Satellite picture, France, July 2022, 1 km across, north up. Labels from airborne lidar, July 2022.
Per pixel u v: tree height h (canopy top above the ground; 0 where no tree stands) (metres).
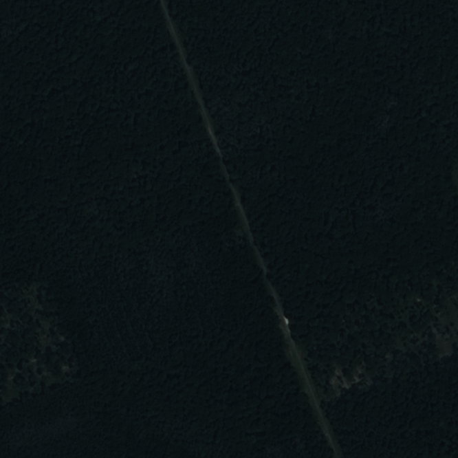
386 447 23
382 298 25
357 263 24
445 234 27
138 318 16
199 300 22
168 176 20
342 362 23
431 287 25
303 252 28
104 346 22
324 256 28
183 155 20
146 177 18
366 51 23
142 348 18
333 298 27
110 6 23
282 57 23
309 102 24
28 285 21
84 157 28
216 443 21
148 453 23
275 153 23
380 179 25
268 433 19
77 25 24
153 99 26
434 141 31
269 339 33
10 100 23
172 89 24
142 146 25
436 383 26
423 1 22
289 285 27
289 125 20
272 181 18
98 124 22
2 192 23
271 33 21
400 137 26
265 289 21
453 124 22
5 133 17
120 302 16
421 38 29
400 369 22
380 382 20
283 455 19
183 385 25
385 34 23
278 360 27
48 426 18
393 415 22
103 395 23
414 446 28
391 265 19
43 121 23
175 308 22
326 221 27
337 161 25
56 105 25
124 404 23
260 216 23
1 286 17
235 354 27
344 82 22
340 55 21
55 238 14
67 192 19
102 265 18
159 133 22
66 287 14
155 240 23
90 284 15
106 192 23
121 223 24
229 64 25
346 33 24
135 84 26
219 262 20
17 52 26
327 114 20
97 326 20
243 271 23
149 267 17
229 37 20
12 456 17
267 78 27
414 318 21
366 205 25
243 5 19
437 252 27
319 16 22
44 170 23
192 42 20
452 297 25
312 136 28
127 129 22
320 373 22
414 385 23
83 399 17
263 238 23
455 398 22
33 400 16
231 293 24
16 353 29
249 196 22
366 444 21
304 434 20
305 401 21
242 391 21
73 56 24
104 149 23
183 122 21
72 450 18
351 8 25
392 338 25
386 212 30
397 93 22
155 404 21
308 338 26
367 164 25
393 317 21
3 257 20
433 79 24
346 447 20
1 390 27
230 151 24
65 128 27
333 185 24
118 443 21
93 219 24
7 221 14
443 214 25
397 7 21
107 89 21
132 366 18
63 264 16
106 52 23
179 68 24
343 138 23
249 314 29
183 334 22
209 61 20
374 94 26
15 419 14
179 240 14
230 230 18
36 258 21
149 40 15
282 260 23
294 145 26
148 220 23
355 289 27
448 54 26
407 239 22
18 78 25
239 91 23
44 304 26
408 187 24
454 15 18
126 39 23
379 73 25
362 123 21
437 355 27
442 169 19
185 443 23
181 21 22
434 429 25
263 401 25
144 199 21
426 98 26
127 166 22
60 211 22
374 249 25
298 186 25
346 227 26
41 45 23
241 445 21
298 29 25
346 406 25
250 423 24
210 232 22
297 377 21
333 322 22
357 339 21
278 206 22
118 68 16
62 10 21
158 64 23
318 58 23
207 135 14
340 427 10
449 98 24
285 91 25
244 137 24
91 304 19
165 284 20
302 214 21
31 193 28
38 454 16
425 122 29
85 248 20
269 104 24
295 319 23
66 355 25
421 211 25
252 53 22
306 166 22
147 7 25
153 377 24
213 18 18
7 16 22
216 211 22
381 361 25
